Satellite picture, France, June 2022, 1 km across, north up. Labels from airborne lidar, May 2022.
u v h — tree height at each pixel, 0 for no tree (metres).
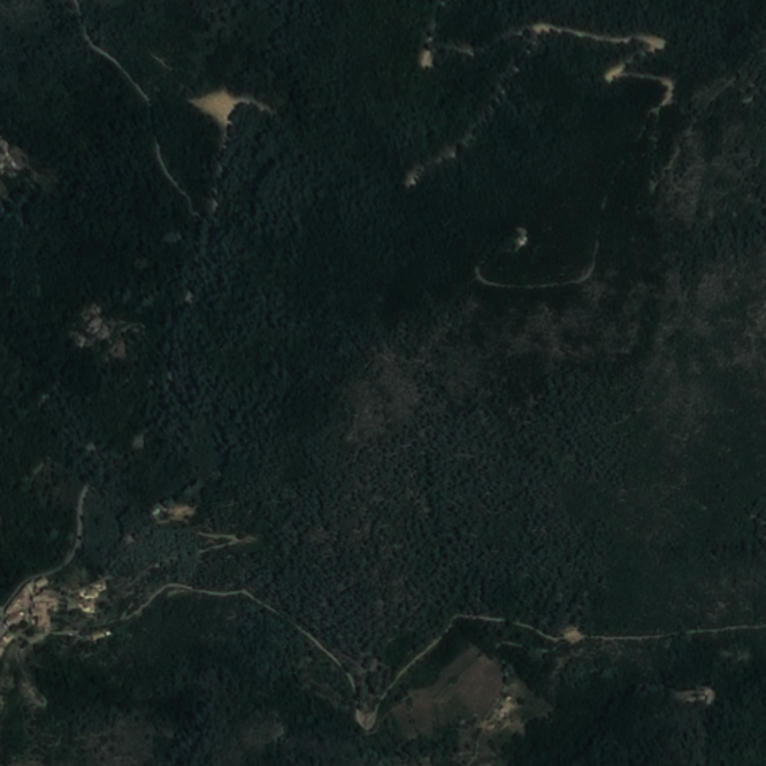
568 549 18
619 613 11
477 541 8
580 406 19
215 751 6
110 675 9
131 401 11
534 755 7
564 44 14
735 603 7
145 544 21
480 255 10
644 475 7
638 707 17
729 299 7
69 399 14
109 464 17
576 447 19
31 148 13
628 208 9
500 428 19
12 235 29
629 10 12
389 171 10
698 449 7
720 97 9
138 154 17
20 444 11
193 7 19
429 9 12
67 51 9
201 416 19
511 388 14
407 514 14
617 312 7
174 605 6
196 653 12
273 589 17
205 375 22
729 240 9
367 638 24
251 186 11
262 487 22
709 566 9
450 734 6
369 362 13
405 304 7
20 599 0
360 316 10
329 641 19
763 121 11
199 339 12
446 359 6
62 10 6
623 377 6
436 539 10
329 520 18
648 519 6
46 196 28
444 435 17
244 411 8
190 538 21
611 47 11
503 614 19
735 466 6
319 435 17
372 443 16
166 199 23
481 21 20
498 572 21
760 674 19
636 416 18
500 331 6
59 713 9
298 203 15
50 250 19
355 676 9
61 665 12
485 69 17
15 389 14
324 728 7
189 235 13
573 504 11
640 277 7
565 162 8
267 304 15
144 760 10
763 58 13
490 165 12
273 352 7
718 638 7
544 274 7
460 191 14
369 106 14
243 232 12
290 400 9
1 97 7
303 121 25
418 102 10
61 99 6
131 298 8
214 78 9
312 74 14
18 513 15
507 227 13
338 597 19
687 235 10
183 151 9
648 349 6
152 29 14
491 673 0
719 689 11
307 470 10
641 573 7
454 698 0
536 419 13
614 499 6
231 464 24
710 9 14
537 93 14
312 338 10
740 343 7
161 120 10
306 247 9
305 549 23
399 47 19
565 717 9
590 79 11
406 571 24
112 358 7
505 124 17
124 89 18
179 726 13
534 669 11
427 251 11
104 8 6
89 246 20
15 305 17
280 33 16
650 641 9
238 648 8
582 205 8
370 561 20
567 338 7
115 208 18
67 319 17
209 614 6
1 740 6
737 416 8
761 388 7
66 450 9
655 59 13
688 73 7
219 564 16
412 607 19
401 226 16
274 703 12
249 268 14
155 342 10
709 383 8
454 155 12
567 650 11
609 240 9
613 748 10
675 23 13
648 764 13
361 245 9
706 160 7
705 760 6
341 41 10
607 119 11
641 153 13
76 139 19
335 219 14
